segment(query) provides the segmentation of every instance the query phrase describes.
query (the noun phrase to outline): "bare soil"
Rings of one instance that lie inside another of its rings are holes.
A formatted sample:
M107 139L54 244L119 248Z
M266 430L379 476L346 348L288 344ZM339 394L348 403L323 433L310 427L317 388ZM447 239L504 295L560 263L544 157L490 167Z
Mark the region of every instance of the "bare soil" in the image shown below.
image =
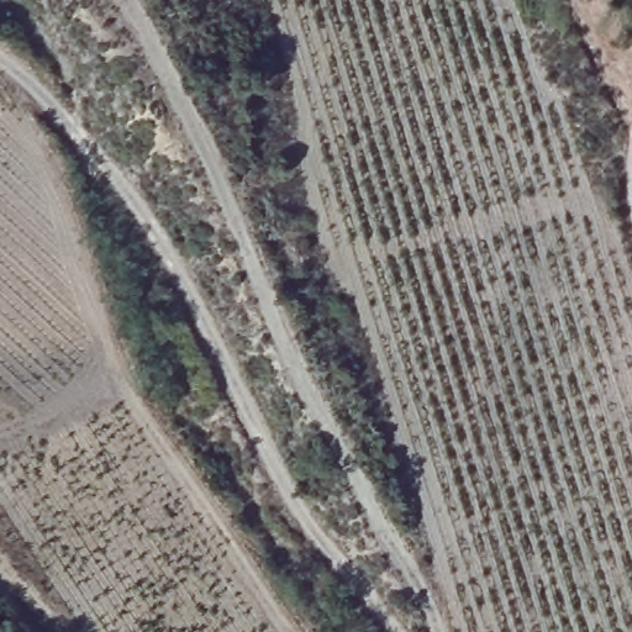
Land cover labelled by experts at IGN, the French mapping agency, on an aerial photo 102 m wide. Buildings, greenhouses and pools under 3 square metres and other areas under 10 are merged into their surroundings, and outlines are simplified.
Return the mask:
M605 84L620 91L617 104L625 111L625 121L632 121L632 47L612 47L612 40L617 40L622 32L622 17L617 7L610 5L612 0L570 0L580 25L588 27L585 40L590 49L600 52Z

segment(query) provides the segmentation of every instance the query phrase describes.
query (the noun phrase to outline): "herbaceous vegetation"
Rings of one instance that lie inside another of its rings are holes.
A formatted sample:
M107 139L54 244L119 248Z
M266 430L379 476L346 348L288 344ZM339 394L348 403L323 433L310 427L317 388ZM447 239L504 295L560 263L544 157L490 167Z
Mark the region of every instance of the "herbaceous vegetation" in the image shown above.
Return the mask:
M612 40L612 47L632 47L632 0L612 0L610 5L617 7L622 17L622 32L617 40Z
M625 111L617 104L620 91L605 84L600 52L590 49L585 40L588 27L580 25L570 0L558 0L558 12L565 17L568 27L558 32L531 35L531 47L536 54L541 54L541 64L546 67L548 81L558 89L570 91L570 96L565 99L570 133L558 133L563 158L573 158L580 153L593 193L607 200L610 215L617 217L620 235L625 237L632 232L632 121L625 121Z

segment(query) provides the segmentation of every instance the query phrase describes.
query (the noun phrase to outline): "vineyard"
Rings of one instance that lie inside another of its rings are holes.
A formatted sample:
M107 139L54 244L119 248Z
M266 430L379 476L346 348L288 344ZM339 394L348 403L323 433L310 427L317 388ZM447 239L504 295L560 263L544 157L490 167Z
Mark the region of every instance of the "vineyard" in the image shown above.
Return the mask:
M170 425L173 415L163 412L156 420L148 405L143 402L141 393L136 390L136 358L131 356L128 343L123 338L116 338L116 321L109 316L101 301L104 284L99 281L99 262L94 259L91 247L81 242L86 222L84 215L74 207L74 190L69 188L67 160L57 151L57 141L35 121L42 109L27 89L17 86L0 69L0 597L15 607L15 632L311 632L311 622L304 617L304 612L299 607L284 610L284 605L277 600L269 585L269 578L264 575L264 568L259 568L257 560L239 546L244 531L237 523L232 523L230 506L217 494L212 494L210 486L200 479L193 464L193 452L183 444L183 437Z
M541 54L536 54L531 47L531 35L528 25L521 20L516 0L269 0L274 15L279 17L279 30L296 40L296 54L289 69L299 121L296 138L306 143L306 156L301 160L306 202L318 215L318 242L328 254L326 267L331 277L341 284L341 289L356 299L360 326L370 338L370 351L383 378L383 393L393 412L395 442L402 444L410 457L425 459L425 472L420 476L422 523L402 533L405 546L422 568L425 588L412 590L405 580L405 573L393 563L380 575L380 580L370 585L370 593L365 595L365 602L383 615L385 625L393 632L632 632L632 232L625 237L620 235L617 217L610 215L607 200L593 193L580 153L573 158L563 158L558 133L570 133L565 99L570 96L570 91L558 89L548 81L546 67L541 64Z

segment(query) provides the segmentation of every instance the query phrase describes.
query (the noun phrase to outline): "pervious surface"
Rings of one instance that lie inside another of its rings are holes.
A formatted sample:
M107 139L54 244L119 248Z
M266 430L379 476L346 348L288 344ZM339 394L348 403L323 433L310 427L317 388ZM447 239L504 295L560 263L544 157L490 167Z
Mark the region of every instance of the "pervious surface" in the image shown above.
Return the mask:
M17 86L27 89L42 109L54 111L57 123L62 123L77 143L86 138L81 116L72 114L49 86L44 86L37 79L35 69L30 67L30 59L17 57L7 42L0 42L0 69Z
M227 160L220 156L212 131L198 114L190 94L185 94L180 72L170 59L158 27L148 17L141 0L114 0L121 7L121 17L126 20L126 25L141 40L143 57L158 74L170 111L178 121L183 121L183 128L195 148L195 156L200 158L207 173L212 195L225 212L227 232L239 247L244 272L252 281L252 289L259 299L259 306L267 316L267 326L272 333L272 343L267 346L264 356L272 358L279 385L286 393L301 395L306 405L306 420L321 425L318 442L331 467L336 472L348 474L351 486L375 531L375 538L365 538L365 548L358 548L356 538L338 536L336 531L323 528L323 523L311 514L309 504L301 496L296 496L296 484L284 464L284 457L279 454L277 442L272 439L269 427L264 425L264 417L254 397L249 395L247 378L237 365L232 348L217 331L217 323L207 311L207 301L195 281L193 269L198 264L198 257L180 257L170 235L163 230L160 220L153 215L148 200L143 198L136 175L128 175L116 160L101 163L101 173L109 175L111 188L119 193L119 198L133 212L136 222L148 235L148 242L153 244L163 267L178 277L185 299L195 309L195 321L202 338L220 356L230 395L249 435L257 439L259 459L267 467L284 509L299 523L306 538L326 558L331 558L336 568L353 558L368 558L375 553L388 553L393 563L405 573L405 580L412 590L425 588L422 568L405 546L402 533L385 516L375 486L360 469L363 454L353 447L353 439L333 417L328 400L323 397L323 390L309 373L309 363L304 358L301 343L296 341L294 323L286 309L277 301L274 281L267 274L272 262L264 257L262 247L249 235L249 220L244 215L244 207L232 195Z

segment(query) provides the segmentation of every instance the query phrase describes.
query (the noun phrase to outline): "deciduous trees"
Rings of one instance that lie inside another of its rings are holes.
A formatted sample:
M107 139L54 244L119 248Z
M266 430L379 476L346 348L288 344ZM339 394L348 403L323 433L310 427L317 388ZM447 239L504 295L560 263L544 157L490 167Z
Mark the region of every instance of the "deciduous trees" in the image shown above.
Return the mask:
M0 632L15 632L15 607L0 597Z
M128 343L131 356L136 358L136 390L141 393L143 402L148 405L156 420L163 412L173 415L180 415L202 427L205 417L220 410L222 400L227 400L230 395L220 356L202 338L195 321L195 309L185 299L178 277L163 267L153 244L148 242L148 235L136 222L133 212L119 198L119 193L111 188L109 175L101 173L91 175L89 160L77 143L62 123L57 123L54 111L42 109L35 121L57 141L57 151L67 160L69 188L74 190L74 207L84 215L86 222L81 242L91 247L94 259L99 262L99 281L104 284L101 301L109 316L116 321L116 338L123 338Z

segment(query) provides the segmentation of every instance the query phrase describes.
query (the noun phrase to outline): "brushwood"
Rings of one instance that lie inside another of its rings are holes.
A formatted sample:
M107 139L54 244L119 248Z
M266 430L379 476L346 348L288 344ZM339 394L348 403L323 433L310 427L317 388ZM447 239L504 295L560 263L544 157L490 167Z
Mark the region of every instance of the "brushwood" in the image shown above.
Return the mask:
M296 138L299 121L289 69L296 54L296 40L279 30L279 17L274 15L269 0L141 0L148 17L158 27L170 59L180 72L185 94L190 94L198 114L212 131L220 156L227 160L232 195L244 207L244 215L249 220L249 235L262 247L264 257L272 262L267 274L274 281L277 301L286 309L294 323L296 341L301 343L304 358L309 363L309 373L323 390L323 397L328 400L333 417L353 439L353 447L363 454L360 469L375 486L385 516L402 533L422 523L420 476L425 472L425 459L410 457L402 444L395 442L393 412L383 393L383 378L370 351L370 338L360 326L356 299L341 289L341 284L331 277L326 267L328 254L318 242L318 215L306 202L301 160L306 156L306 143Z
M558 0L516 0L521 20L528 25L531 35L558 32L568 27L565 17L558 12Z
M210 486L212 494L217 494L230 506L232 523L237 523L244 531L239 546L257 560L259 568L264 568L264 575L269 578L269 585L277 600L284 605L284 610L299 607L304 612L304 617L311 622L311 632L393 632L385 625L383 615L365 602L365 595L370 593L370 585L380 580L380 575L393 563L388 553L375 553L368 558L353 558L336 568L331 558L326 558L306 538L299 523L284 509L267 467L259 459L257 439L249 435L230 395L227 400L222 400L220 410L205 417L202 427L180 415L173 415L170 425L183 437L183 444L193 452L193 464L200 479Z
M338 536L356 538L358 548L365 548L365 538L375 538L375 531L351 486L348 474L336 472L331 467L318 442L321 425L306 420L306 405L301 395L286 393L279 385L272 358L264 356L267 346L272 343L272 333L267 326L267 316L259 306L259 299L252 289L252 281L244 272L239 247L227 232L225 212L212 195L207 173L200 158L195 156L195 148L183 128L183 121L178 121L170 111L158 74L143 57L141 40L126 25L126 20L121 17L121 7L114 0L0 0L0 42L7 42L17 57L30 59L30 67L35 69L37 79L44 86L49 86L72 114L81 116L86 138L77 143L89 160L91 175L101 173L101 163L116 160L128 175L136 175L143 198L148 200L153 215L160 220L163 230L170 235L180 257L198 257L198 264L193 269L195 281L207 301L207 311L217 323L217 331L232 348L237 365L247 378L249 395L254 397L264 417L264 425L269 427L272 439L277 442L279 454L284 457L284 464L296 484L296 496L301 496L309 504L311 514L323 523L323 528L336 531Z

